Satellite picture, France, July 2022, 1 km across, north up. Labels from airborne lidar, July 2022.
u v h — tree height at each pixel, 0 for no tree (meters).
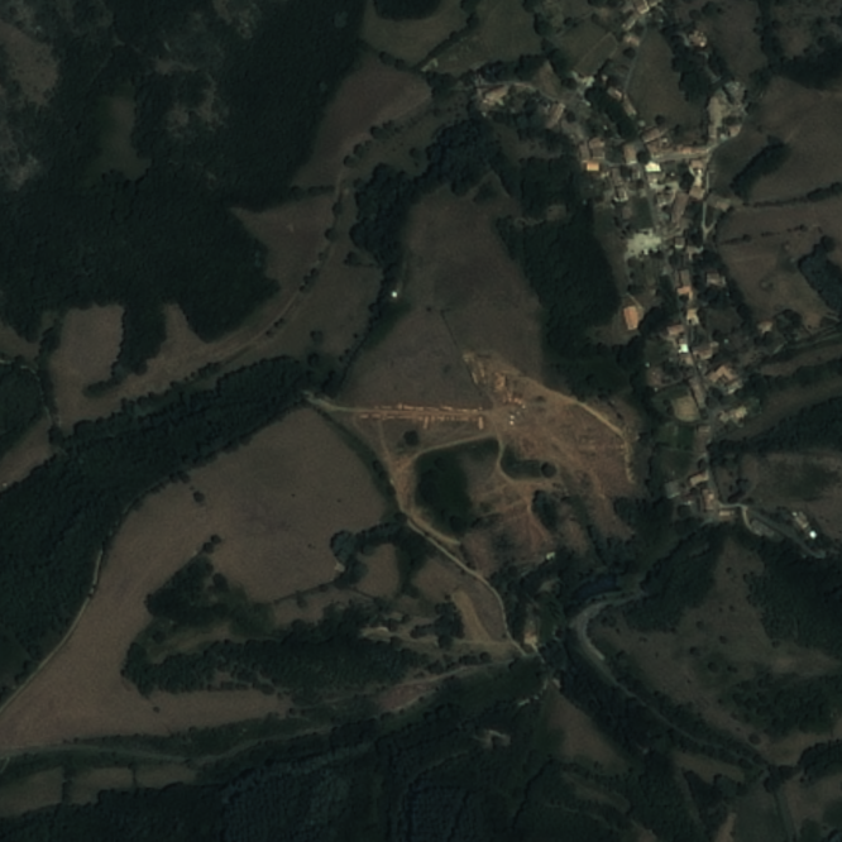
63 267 10
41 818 10
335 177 0
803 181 0
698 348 0
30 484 9
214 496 0
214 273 16
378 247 13
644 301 0
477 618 0
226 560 0
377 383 0
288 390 11
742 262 0
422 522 0
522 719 7
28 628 8
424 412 0
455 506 0
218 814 28
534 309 0
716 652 0
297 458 0
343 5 16
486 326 0
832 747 13
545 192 9
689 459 0
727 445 10
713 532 15
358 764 13
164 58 9
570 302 6
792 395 0
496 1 0
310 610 0
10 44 0
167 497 0
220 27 7
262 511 0
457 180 18
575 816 10
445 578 0
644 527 12
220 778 12
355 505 0
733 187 14
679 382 6
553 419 0
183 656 13
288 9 12
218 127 9
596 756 0
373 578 0
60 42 11
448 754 9
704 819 9
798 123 0
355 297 0
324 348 0
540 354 0
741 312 14
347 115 0
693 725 10
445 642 16
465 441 0
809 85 15
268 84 18
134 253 8
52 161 10
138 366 12
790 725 12
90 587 8
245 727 6
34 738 0
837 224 0
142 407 16
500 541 7
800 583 21
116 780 0
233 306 17
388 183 16
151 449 6
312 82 15
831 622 10
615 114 24
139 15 16
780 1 11
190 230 15
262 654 12
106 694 0
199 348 0
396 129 7
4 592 12
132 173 0
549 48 12
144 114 11
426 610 0
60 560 11
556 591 16
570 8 0
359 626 13
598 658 0
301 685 6
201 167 9
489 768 7
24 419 8
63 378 0
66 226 12
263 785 34
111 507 15
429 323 0
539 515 6
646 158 15
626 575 17
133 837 10
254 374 15
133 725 0
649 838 0
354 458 0
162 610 12
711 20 0
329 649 10
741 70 0
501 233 9
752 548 7
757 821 0
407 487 0
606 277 17
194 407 15
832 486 0
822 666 0
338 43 15
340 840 16
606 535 20
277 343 0
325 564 0
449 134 17
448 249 0
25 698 0
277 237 0
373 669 8
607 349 15
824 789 0
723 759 14
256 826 32
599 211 0
